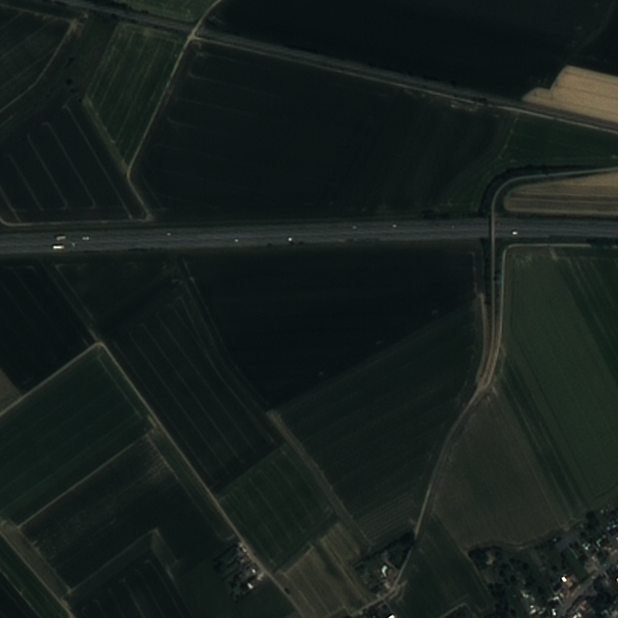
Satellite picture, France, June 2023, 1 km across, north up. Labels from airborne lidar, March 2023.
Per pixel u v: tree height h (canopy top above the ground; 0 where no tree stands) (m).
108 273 0
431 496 0
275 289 0
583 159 0
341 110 0
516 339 0
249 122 0
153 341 0
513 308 0
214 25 7
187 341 0
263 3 0
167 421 0
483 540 0
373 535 0
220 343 0
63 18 0
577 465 0
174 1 0
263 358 0
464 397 0
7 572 0
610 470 0
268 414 0
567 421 0
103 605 0
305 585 0
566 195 0
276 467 0
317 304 0
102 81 0
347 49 0
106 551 0
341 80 0
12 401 0
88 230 0
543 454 0
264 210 0
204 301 0
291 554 0
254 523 0
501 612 17
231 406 0
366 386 0
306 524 0
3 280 0
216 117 0
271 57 0
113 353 0
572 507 0
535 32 0
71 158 0
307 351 0
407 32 0
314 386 0
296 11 0
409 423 0
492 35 0
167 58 0
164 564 0
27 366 0
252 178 0
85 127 0
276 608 0
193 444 0
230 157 0
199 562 0
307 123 0
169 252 0
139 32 0
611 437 0
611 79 0
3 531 0
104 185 0
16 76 0
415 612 0
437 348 0
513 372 0
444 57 0
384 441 0
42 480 0
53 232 0
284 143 0
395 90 0
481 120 0
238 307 0
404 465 0
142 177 0
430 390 0
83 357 0
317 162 0
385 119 0
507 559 0
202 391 0
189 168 0
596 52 0
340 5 0
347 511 0
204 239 0
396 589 0
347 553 0
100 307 0
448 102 0
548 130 0
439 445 0
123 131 0
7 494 0
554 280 0
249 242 0
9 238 0
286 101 0
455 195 0
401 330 0
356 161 0
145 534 0
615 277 0
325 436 0
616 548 0
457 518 0
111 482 0
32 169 0
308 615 0
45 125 0
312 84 0
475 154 0
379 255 0
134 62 0
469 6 0
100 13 0
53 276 0
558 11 0
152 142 0
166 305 0
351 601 0
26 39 0
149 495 0
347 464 0
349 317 0
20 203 0
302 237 0
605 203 0
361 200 0
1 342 0
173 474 0
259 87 0
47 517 0
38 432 0
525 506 0
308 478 0
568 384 0
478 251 0
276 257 0
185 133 0
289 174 0
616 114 0
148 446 0
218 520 0
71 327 0
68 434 0
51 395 0
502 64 0
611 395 0
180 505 0
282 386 0
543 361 0
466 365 0
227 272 0
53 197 0
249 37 0
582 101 0
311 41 0
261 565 0
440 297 0
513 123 0
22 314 0
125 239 0
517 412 0
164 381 0
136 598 0
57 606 0
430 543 0
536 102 0
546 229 0
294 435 0
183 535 0
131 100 0
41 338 0
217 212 0
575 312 0
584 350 0
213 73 0
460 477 0
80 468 0
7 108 0
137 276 0
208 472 0
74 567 0
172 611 0
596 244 11
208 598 0
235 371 0
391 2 0
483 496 0
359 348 0
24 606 0
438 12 0
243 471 0
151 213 0
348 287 0
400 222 0
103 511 0
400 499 0
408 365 0
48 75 0
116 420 0
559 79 0
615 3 0
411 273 0
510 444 0
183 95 0
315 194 0
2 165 0
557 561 0
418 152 0
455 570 0
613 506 0
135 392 0
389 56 0
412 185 0
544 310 0
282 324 0
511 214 0
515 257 0
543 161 0
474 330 0
